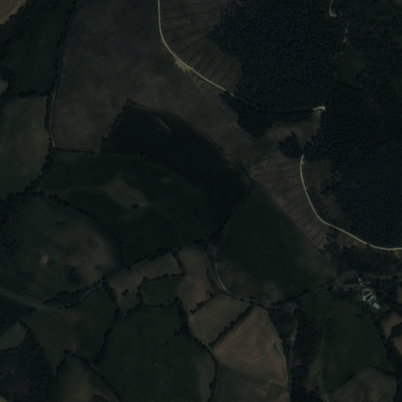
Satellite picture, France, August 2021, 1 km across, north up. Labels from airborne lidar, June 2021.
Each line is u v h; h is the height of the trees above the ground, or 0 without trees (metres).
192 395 0
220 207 0
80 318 0
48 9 11
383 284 14
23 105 0
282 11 21
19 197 17
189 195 0
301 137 0
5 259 0
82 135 0
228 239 0
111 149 0
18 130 0
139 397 0
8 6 0
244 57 18
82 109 0
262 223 0
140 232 0
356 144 20
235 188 0
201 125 0
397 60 6
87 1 0
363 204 18
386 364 0
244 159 0
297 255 0
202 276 0
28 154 0
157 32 0
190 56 0
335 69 19
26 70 0
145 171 0
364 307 10
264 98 22
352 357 0
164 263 0
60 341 0
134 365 0
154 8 0
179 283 0
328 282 8
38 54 0
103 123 0
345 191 25
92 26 0
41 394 16
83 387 0
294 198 0
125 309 0
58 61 9
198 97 0
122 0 0
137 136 0
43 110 0
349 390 0
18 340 0
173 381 0
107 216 0
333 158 17
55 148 13
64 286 0
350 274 0
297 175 0
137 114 0
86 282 0
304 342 16
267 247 0
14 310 0
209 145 0
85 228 0
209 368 0
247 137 0
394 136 18
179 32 0
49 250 0
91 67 0
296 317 10
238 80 0
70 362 0
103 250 0
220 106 0
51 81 0
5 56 15
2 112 14
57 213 0
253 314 0
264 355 0
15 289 0
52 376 22
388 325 0
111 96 0
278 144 0
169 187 0
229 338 0
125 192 0
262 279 0
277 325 10
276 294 0
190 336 17
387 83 17
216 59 0
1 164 0
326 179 0
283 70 15
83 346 0
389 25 8
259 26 22
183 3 0
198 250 0
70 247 0
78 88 0
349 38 7
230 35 16
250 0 14
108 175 0
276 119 26
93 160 0
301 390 16
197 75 0
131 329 0
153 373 0
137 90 0
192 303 0
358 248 11
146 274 0
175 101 0
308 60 21
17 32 7
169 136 0
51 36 0
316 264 0
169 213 0
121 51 0
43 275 0
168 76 0
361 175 17
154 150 0
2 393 10
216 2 0
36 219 0
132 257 0
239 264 0
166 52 0
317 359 0
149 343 0
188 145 0
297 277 0
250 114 22
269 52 21
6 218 31
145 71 0
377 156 19
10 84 15
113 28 0
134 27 0
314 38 25
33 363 7
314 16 20
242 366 0
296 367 11
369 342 0
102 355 16
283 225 0
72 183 0
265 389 0
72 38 0
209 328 0
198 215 0
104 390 0
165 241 0
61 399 0
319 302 0
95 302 0
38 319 0
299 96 25
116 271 0
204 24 0
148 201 0
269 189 0
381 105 23
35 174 0
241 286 0
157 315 0
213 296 11
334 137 19
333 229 10
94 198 0
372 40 17
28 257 0
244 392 0
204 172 0
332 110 23
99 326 0
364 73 15
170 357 0
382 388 0
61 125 0
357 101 23
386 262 9
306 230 0
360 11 12
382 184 19
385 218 12
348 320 0
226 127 0
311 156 18
